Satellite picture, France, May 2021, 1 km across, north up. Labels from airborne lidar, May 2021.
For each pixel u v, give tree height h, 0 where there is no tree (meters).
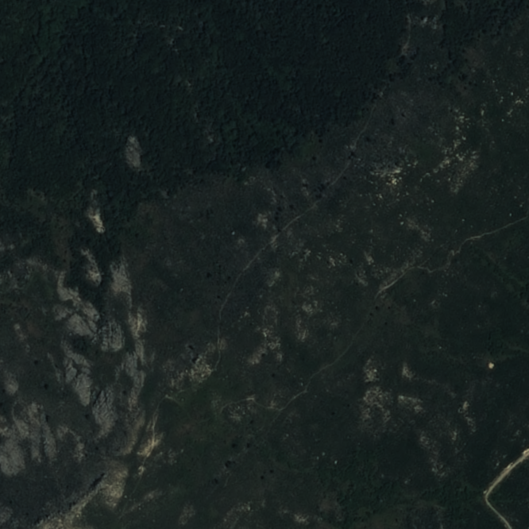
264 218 0
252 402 0
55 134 17
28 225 6
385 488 10
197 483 0
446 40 16
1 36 21
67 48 12
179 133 9
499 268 10
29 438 0
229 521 0
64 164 11
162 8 14
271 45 14
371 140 17
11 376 0
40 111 16
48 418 10
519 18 18
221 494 0
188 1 16
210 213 6
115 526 0
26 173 8
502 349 10
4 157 7
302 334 0
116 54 15
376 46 10
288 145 16
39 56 20
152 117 11
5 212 6
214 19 17
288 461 7
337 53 12
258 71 14
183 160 9
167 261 8
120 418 0
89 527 0
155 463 0
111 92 15
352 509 8
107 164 7
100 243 7
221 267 7
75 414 0
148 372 0
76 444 0
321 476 8
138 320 0
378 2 14
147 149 7
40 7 17
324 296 0
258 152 15
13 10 17
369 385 10
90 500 0
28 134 11
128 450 0
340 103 11
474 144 6
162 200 7
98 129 14
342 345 0
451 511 6
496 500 9
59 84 10
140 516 0
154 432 0
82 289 6
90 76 14
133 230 7
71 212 6
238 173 7
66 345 0
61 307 0
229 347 0
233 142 15
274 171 8
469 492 11
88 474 0
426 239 0
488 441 5
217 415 0
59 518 0
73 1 19
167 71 11
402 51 7
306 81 15
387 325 13
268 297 0
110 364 0
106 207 12
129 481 0
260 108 13
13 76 15
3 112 13
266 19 15
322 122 9
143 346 0
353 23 12
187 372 0
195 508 0
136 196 11
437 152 0
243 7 17
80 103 12
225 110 15
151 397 0
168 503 0
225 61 14
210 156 9
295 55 11
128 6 18
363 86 8
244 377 0
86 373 0
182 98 13
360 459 9
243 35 18
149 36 16
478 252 11
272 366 0
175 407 0
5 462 0
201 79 16
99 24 16
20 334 0
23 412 0
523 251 12
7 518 0
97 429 0
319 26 14
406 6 10
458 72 13
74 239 9
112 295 0
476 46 10
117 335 0
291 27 13
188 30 13
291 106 12
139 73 17
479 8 12
